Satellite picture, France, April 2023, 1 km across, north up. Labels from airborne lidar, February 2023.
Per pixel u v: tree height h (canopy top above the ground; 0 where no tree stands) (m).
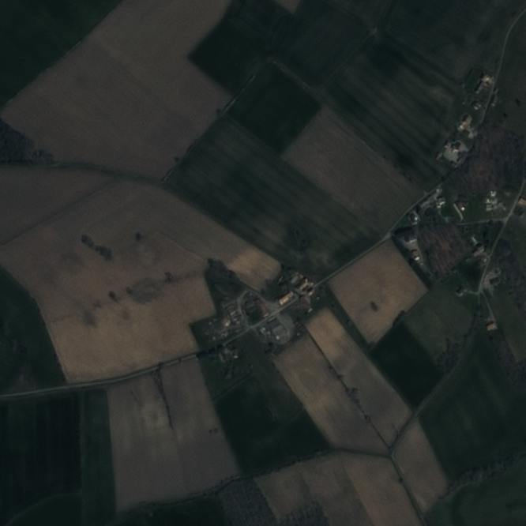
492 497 0
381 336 0
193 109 0
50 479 0
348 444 0
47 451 0
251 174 0
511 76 0
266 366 0
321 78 0
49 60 0
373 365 0
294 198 0
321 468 0
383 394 0
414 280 0
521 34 0
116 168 0
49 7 0
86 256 0
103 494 0
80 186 0
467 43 0
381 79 0
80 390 0
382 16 0
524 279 10
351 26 0
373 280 0
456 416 0
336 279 0
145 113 0
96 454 0
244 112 0
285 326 0
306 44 0
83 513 0
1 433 0
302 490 0
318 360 0
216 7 0
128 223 0
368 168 0
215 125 0
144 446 0
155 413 0
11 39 0
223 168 0
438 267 16
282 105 0
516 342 0
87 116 0
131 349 0
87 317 0
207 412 0
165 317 0
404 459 0
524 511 0
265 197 0
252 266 0
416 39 0
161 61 0
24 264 0
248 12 0
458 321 0
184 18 0
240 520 13
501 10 0
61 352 0
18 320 0
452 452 0
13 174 0
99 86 0
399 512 0
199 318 0
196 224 0
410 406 0
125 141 0
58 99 0
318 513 11
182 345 0
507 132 9
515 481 0
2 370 0
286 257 0
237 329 0
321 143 0
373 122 0
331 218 0
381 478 0
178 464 0
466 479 11
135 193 0
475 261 0
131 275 0
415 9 0
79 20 0
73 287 0
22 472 0
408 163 0
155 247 0
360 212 0
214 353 9
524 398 0
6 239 0
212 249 0
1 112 0
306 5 0
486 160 13
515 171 15
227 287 0
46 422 0
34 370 0
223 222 0
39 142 0
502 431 0
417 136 0
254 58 0
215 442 0
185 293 0
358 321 0
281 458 0
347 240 0
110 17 0
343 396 0
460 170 9
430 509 0
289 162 0
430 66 0
